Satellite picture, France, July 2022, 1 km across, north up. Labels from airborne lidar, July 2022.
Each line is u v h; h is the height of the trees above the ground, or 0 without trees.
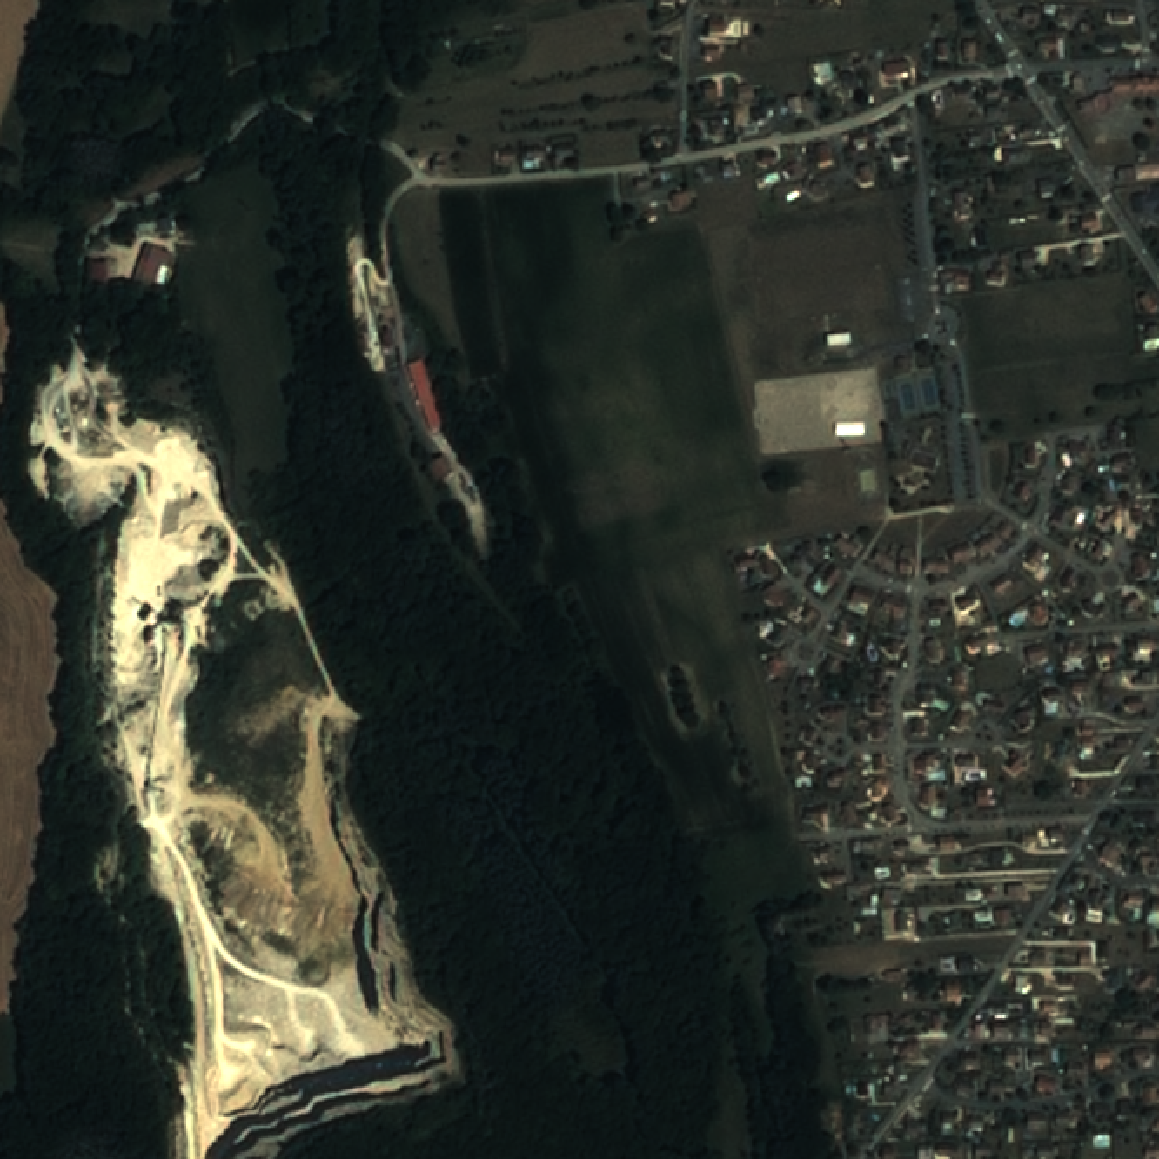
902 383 0
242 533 8
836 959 0
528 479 0
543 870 29
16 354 18
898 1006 0
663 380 0
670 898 31
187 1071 0
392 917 0
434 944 18
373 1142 18
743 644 0
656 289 0
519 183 0
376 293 0
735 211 0
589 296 0
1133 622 0
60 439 0
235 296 0
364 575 27
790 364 0
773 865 0
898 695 0
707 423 0
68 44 9
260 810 0
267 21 0
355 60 17
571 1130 21
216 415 7
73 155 21
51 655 0
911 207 6
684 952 32
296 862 0
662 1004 23
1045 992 0
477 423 19
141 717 0
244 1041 0
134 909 12
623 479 0
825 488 0
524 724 24
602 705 18
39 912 15
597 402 0
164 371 6
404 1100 0
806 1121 20
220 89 20
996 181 11
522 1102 21
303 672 0
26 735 0
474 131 0
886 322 0
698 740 0
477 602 26
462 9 0
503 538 19
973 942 0
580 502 0
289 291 22
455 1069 0
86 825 11
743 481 0
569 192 0
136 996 14
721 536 0
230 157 17
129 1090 17
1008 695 0
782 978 25
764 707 0
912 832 0
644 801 19
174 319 12
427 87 0
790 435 0
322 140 9
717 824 0
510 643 13
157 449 0
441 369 10
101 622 7
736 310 0
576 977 26
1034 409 0
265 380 0
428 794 20
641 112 0
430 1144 13
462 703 25
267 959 0
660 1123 30
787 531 0
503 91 0
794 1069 26
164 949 10
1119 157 0
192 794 0
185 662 0
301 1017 0
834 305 0
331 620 10
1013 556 0
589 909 24
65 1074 22
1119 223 0
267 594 0
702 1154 23
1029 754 0
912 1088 0
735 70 0
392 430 19
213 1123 0
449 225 0
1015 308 0
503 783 25
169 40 8
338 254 15
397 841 9
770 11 0
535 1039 29
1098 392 9
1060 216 15
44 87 18
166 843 0
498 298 0
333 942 0
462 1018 8
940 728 0
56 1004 15
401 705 7
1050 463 0
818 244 0
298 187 19
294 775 0
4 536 0
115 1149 19
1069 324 0
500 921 30
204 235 0
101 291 15
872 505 0
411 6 28
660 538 0
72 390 0
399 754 21
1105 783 0
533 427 0
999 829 0
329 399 27
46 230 0
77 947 17
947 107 0
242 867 0
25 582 0
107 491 0
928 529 0
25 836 0
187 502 0
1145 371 0
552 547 0
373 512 30
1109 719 0
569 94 0
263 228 0
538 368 0
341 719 0
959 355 0
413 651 27
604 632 0
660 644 0
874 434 0
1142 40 0
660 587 0
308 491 19
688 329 0
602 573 0
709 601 0
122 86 17
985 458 0
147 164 22
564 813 35
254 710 0
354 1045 0
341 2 21
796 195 0
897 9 0
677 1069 27
